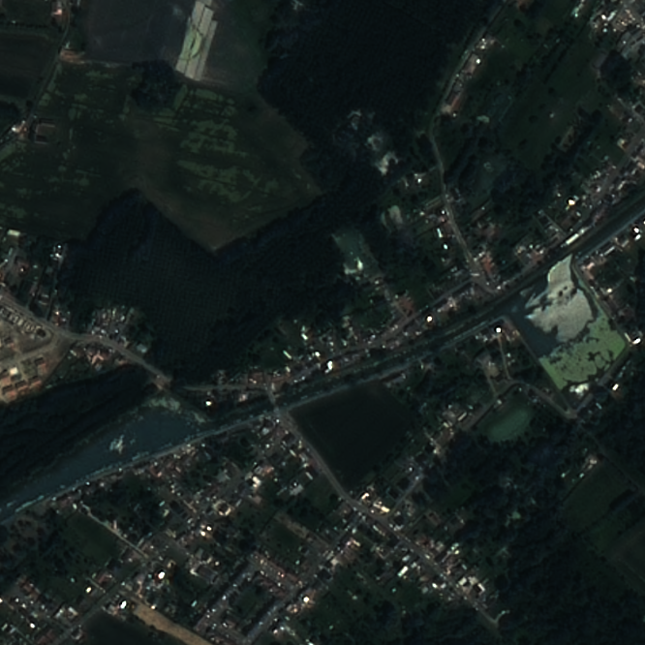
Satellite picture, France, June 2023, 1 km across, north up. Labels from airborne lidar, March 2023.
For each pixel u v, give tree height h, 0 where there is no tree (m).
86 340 0
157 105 25
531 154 0
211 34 0
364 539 0
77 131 0
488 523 21
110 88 0
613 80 17
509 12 0
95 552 0
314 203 6
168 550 0
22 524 9
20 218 0
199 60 0
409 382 0
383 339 0
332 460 0
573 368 0
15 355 0
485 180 0
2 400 0
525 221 16
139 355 0
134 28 0
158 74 28
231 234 0
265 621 0
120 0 0
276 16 9
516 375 6
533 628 19
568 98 0
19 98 0
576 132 7
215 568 6
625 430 23
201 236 0
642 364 5
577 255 0
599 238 0
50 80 0
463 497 0
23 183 0
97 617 0
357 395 0
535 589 20
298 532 0
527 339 0
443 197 0
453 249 0
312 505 7
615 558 0
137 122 0
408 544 0
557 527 24
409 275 13
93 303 7
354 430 0
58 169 0
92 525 0
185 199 0
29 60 0
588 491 0
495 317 0
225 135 0
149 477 0
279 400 0
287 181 0
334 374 0
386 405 0
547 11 0
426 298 0
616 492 0
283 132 0
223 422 0
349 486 0
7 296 0
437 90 0
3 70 0
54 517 11
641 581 0
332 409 0
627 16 0
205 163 0
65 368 0
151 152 0
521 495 22
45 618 0
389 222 0
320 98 26
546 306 0
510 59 0
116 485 8
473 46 0
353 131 8
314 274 18
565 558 25
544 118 0
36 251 10
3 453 9
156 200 0
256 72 0
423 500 23
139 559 0
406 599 0
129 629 0
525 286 0
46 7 0
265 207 0
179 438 0
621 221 0
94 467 0
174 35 0
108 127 0
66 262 12
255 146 0
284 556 0
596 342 0
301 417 0
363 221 31
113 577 0
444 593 0
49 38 0
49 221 0
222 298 25
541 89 0
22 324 0
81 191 0
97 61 0
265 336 11
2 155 0
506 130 0
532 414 0
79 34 0
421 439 0
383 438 0
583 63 0
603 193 0
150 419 0
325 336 0
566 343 0
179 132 0
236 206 0
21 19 0
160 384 0
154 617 0
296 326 0
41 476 0
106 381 16
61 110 0
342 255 16
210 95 0
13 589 0
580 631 27
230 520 15
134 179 0
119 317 0
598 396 19
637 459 24
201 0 0
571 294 0
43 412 8
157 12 0
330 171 20
